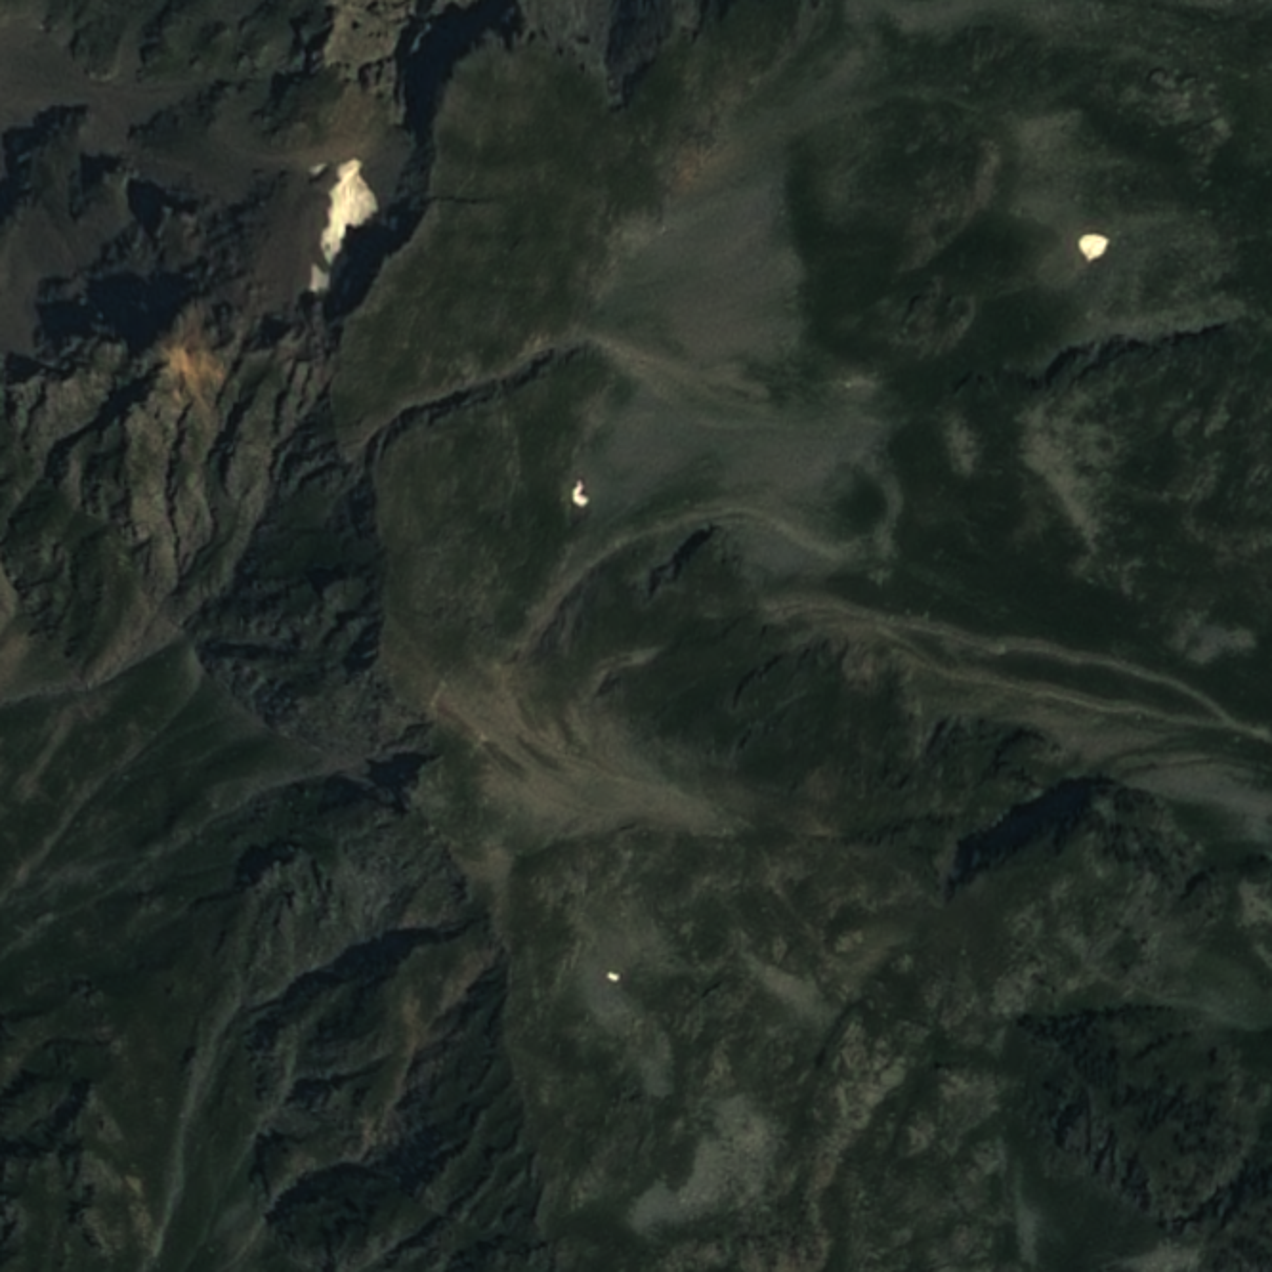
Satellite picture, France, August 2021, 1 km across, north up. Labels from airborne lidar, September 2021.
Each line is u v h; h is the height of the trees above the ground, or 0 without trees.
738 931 0
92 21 0
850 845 0
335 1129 0
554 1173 0
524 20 0
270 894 0
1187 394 0
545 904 0
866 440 0
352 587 0
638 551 0
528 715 0
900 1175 0
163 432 0
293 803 0
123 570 0
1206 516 0
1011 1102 0
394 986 0
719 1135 0
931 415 0
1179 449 0
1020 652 0
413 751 0
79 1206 11
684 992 0
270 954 0
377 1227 0
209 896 0
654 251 0
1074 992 0
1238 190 0
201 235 0
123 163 0
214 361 0
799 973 0
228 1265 0
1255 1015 0
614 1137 0
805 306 0
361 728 0
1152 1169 0
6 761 0
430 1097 0
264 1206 0
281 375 0
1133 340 0
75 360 0
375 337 0
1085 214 0
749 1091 0
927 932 0
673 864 0
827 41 0
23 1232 0
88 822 0
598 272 0
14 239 0
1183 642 0
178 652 0
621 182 0
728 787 0
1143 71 0
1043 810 0
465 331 0
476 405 0
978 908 0
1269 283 0
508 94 0
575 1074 0
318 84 0
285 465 0
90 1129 0
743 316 0
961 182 0
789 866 0
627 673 0
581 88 0
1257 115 0
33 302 0
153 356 0
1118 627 0
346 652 0
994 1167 0
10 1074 0
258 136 0
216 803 0
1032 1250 0
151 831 0
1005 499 0
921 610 0
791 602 0
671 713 0
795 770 0
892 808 0
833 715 0
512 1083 0
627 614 0
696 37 0
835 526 0
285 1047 0
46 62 0
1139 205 0
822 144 0
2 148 0
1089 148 0
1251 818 0
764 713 0
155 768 0
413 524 0
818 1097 0
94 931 0
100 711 0
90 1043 0
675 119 0
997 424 0
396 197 0
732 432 0
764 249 0
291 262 0
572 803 0
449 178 0
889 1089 0
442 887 0
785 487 0
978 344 0
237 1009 0
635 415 0
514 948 0
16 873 0
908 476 0
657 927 0
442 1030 0
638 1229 0
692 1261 0
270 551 0
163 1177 0
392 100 0
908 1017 0
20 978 0
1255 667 0
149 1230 0
